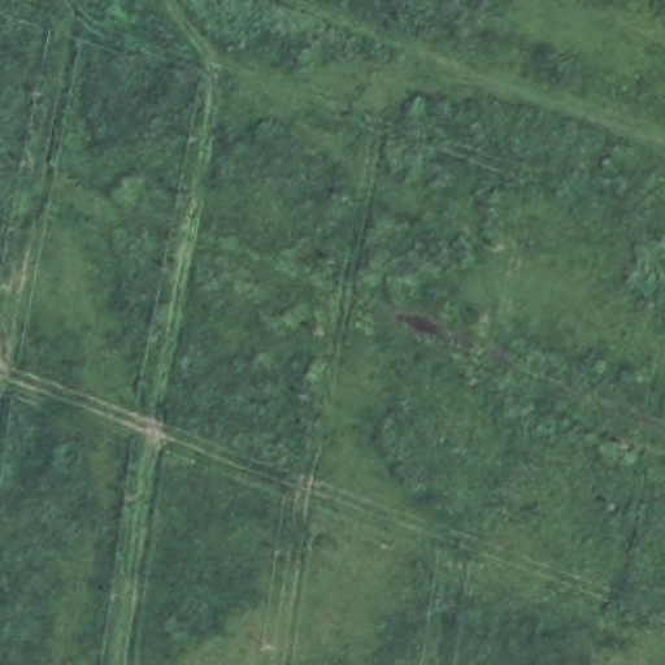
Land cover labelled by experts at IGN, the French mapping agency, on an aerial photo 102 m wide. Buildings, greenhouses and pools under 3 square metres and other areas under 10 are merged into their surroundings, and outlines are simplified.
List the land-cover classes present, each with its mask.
<instances>
[{"label":"herbaceous vegetation","instance_id":"1","mask_svg":"<svg viewBox=\"0 0 665 665\"><path fill-rule=\"evenodd\" d=\"M132 410L161 421L164 444L148 457L145 436L122 426ZM0 665H665V0H0Z\"/></svg>","mask_w":665,"mask_h":665},{"label":"pervious surface","instance_id":"2","mask_svg":"<svg viewBox=\"0 0 665 665\"><path fill-rule=\"evenodd\" d=\"M122 426L145 436L148 457L164 444L161 421L132 410Z\"/></svg>","mask_w":665,"mask_h":665}]
</instances>
